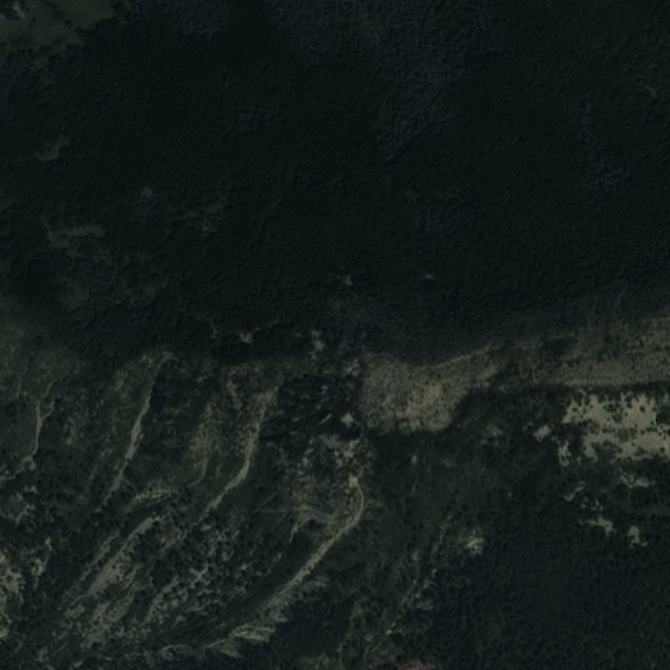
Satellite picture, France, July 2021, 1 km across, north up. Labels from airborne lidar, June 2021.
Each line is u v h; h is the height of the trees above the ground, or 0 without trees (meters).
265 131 19
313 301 11
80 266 12
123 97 15
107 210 12
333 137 21
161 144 15
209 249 9
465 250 19
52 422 7
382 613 8
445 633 19
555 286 20
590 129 17
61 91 13
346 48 19
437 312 14
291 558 8
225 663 7
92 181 19
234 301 14
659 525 19
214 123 16
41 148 13
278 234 15
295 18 14
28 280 17
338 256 15
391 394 0
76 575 15
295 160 16
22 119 23
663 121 19
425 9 17
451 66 12
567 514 6
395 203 16
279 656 9
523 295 16
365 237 14
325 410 7
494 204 17
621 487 11
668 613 16
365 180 18
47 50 6
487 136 17
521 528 14
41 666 13
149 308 14
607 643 10
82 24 0
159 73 14
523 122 25
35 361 6
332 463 9
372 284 17
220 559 13
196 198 19
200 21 21
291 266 14
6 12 7
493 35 10
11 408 7
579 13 16
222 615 15
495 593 13
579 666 26
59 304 8
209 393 7
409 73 16
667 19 20
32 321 6
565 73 17
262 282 12
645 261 17
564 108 19
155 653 12
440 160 21
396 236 16
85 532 11
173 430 7
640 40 16
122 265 6
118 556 0
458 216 11
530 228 18
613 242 21
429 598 16
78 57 18
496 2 16
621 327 7
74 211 13
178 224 16
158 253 11
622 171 12
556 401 8
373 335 14
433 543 7
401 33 7
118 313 16
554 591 19
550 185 24
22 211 10
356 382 6
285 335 16
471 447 7
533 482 9
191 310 10
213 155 22
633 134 18
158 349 7
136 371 6
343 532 0
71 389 7
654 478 9
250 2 24
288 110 23
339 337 8
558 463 11
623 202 21
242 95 14
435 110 10
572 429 8
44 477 16
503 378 7
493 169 21
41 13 0
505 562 12
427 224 12
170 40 23
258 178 12
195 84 16
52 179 20
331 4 10
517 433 10
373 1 15
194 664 11
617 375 0
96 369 7
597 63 20
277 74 12
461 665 12
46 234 10
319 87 20
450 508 10
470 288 21
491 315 9
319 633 20
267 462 6
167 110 20
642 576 21
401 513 7
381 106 15
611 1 12
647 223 22
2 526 15
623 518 10
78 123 18
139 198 7
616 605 10
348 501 6
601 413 0
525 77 18
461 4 13
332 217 18
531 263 17
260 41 18
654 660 15
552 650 21
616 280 15
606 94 17
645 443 0
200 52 18
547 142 24
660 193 23
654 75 14
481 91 21
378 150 18
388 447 6
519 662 16
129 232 16
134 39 21
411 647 15
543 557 18
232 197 16
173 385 6
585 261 18
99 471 6
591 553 21
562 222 23
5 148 18
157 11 17
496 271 18
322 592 7
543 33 20
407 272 18
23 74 9
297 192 19
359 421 7
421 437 9
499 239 18
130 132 14
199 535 11
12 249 16
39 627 13
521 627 17
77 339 12
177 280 9
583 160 20
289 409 9
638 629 24
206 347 9
